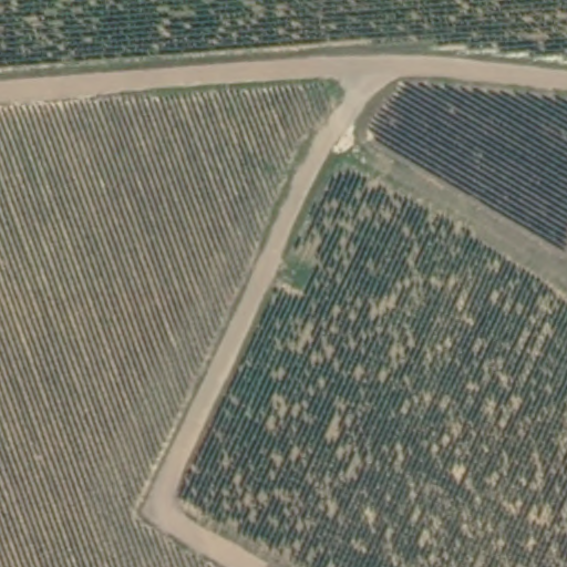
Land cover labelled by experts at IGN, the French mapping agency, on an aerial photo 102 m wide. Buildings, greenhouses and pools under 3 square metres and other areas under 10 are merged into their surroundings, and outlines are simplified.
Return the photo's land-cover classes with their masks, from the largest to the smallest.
<instances>
[{"label":"vineyard","instance_id":"1","mask_svg":"<svg viewBox=\"0 0 567 567\"><path fill-rule=\"evenodd\" d=\"M410 35L434 40L436 44H465L470 49L498 47L501 51H529L536 55L558 53L567 58V0H0V66L60 62L62 58L80 62L100 58H140L153 53L168 55L224 49H259L279 44H310L326 40ZM343 89L334 80L301 78L120 91L93 95L82 104L62 102L60 106L0 104V567H224L219 560L206 554H197L190 545H186L173 534L162 536L164 532L151 518L144 516L142 509L146 505V496L157 478L164 458L171 454L173 445L182 434L188 412L210 372V363L217 357V350L230 328V321L235 319L246 297L257 261L270 241L272 228L279 219L284 204L288 202L295 173L306 162L312 148L317 131L321 128V120L328 117L341 104ZM370 131L388 151L410 159L419 168L458 188L461 193L476 197L494 213L527 228L547 244L565 248L567 241V91H543L523 86L518 93L507 95L494 91L485 93L478 89L465 91L454 89L452 84H408L403 86L399 97L372 120ZM308 221L317 228L319 237H312L308 244L295 250L297 259L312 266V270L306 277V286L299 290L297 286L288 284L277 275L272 277L261 310L235 361L233 374L215 403V410L204 427V434L186 463L177 489L182 498L177 503V509L184 514V518L235 543L241 536H250L266 540L270 547L286 545L290 549V556L303 567H567V303L558 299L540 279L523 270H516V266H512L501 252L472 239L470 230L456 235L454 224L443 217L427 221L425 208L405 199L403 195H385V190L381 188H368L363 177L348 173V168H341L328 177L317 204L310 206Z\"/></svg>","mask_w":567,"mask_h":567},{"label":"pervious surface","instance_id":"2","mask_svg":"<svg viewBox=\"0 0 567 567\"><path fill-rule=\"evenodd\" d=\"M432 75L523 86L543 91H567V71L434 55L383 53L317 55L301 60H264L0 80V104L60 106L62 102L82 104L93 95L120 91L301 78L334 80L343 89L341 104L328 117L321 120V128L317 131L312 148L306 162L295 173L288 202L284 204L279 219L272 228L270 241L257 261L246 297L235 319L230 321V328L217 350V357L210 363V372L188 412L182 434L173 445L171 454L164 458L157 478L146 496V505L142 509L144 516L151 518L164 532L162 536L173 534L186 545H190L197 554H206L219 560L224 567H266L264 560L248 554L235 543L184 518V514L177 509V503L182 498L177 489L186 463L204 434V427L215 410V403L233 374L235 361L261 310L272 277L277 275V270L281 268L284 246L290 237L292 224L306 204V197L323 162L328 159V155L343 153L352 146L357 117L361 115L368 100L377 95L385 84H390L396 78Z\"/></svg>","mask_w":567,"mask_h":567},{"label":"herbaceous vegetation","instance_id":"3","mask_svg":"<svg viewBox=\"0 0 567 567\"><path fill-rule=\"evenodd\" d=\"M383 53L434 55L567 71V58L558 53L536 55L529 51H501L498 47L470 49L465 44H436L434 40L410 35L326 40L310 44H279L259 49H224L168 55L153 53L140 58H100L80 62L62 58L60 62L0 66V80L264 60H301L317 55ZM408 84H452L454 89L465 91L478 89L485 93L494 91L507 95L518 93L523 86L432 75L396 78L390 84H385L377 95L368 100L361 115L357 117L352 146L343 153L328 155V159L323 162L306 197V204L292 224L290 237L284 246L281 268L277 270V275L288 284L297 286L299 290L306 286V277L312 270V266L297 259L295 250L308 244L312 237H319L317 228L308 221L310 206L317 204L328 177L341 168H348V173L363 177L368 188H381L385 190V195H403L405 199L425 208L427 221L443 217L454 224L456 235L470 230L472 239L501 252L512 266H516V270H523L540 279L558 299L567 303V241L565 248L547 244L527 228L494 213L476 197L461 193L458 188L419 168L410 159L388 151L370 131L372 120L399 97L403 86Z\"/></svg>","mask_w":567,"mask_h":567},{"label":"agricultural land","instance_id":"4","mask_svg":"<svg viewBox=\"0 0 567 567\"><path fill-rule=\"evenodd\" d=\"M248 554L264 560L266 567H303L290 556V549L286 545L270 547L266 540L250 536H241L235 543Z\"/></svg>","mask_w":567,"mask_h":567}]
</instances>
